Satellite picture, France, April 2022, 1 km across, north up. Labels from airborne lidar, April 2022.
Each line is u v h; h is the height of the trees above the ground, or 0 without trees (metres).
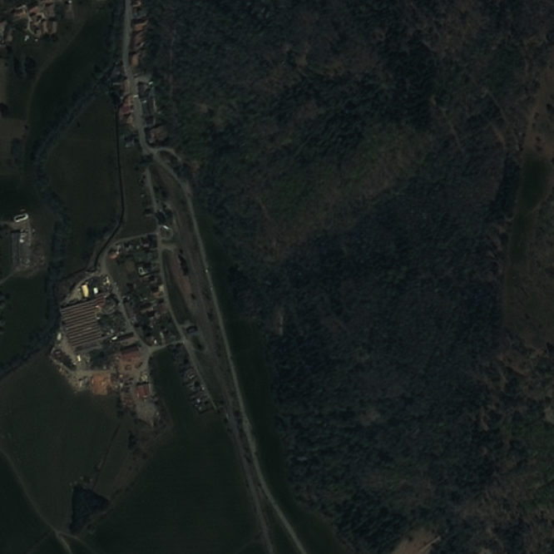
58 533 0
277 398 17
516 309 0
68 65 0
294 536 0
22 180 0
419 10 15
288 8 8
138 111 0
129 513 0
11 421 0
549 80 0
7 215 0
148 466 0
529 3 21
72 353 0
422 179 32
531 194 0
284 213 21
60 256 24
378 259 38
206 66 18
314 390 24
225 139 22
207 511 0
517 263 0
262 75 15
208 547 0
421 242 27
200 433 0
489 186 19
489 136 28
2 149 0
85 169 0
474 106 12
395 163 18
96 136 0
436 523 18
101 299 0
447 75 24
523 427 12
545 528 14
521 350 10
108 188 0
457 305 19
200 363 0
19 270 0
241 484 0
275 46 11
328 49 13
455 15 15
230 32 16
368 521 29
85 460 0
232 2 26
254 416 0
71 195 0
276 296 20
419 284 21
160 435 0
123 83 0
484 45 25
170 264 0
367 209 28
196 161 10
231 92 18
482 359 16
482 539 14
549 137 0
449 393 18
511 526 12
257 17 24
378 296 24
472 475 20
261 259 11
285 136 21
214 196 28
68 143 0
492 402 27
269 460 0
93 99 15
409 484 15
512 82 12
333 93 22
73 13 0
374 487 15
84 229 0
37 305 0
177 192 0
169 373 0
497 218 14
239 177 27
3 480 0
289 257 27
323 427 19
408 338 25
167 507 0
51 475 0
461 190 24
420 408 14
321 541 0
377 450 17
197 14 29
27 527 0
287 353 40
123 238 0
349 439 19
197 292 0
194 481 0
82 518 17
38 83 0
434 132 21
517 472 16
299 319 22
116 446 0
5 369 18
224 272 0
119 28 17
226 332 0
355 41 19
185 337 0
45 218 0
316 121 20
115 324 9
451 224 17
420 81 35
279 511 0
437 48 17
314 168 25
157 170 0
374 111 34
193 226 11
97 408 0
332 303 27
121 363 0
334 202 17
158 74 8
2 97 0
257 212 20
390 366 16
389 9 17
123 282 0
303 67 11
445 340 20
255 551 0
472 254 28
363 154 20
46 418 0
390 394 21
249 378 0
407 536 14
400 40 18
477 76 13
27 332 0
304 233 27
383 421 22
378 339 24
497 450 25
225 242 24
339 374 22
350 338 17
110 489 0
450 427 22
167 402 0
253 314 23
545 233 18
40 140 0
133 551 0
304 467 22
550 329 0
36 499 0
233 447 0
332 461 19
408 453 20
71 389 0
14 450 0
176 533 0
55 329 17
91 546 0
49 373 0
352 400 21
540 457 16
